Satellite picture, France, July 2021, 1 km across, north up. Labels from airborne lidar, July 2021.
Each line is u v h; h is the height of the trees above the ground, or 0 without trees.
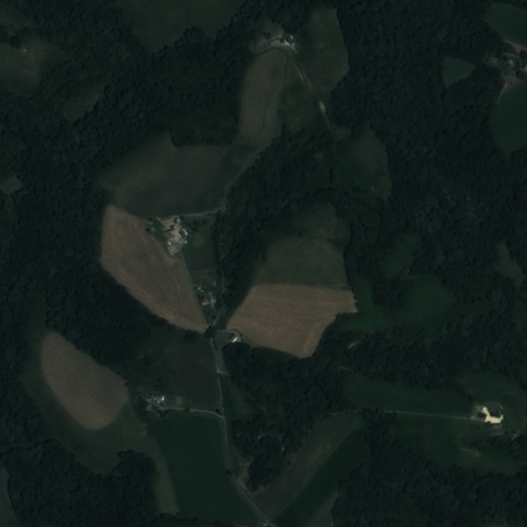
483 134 13
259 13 13
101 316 16
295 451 10
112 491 30
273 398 15
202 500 0
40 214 29
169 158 0
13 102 28
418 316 0
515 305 17
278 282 0
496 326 24
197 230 13
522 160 18
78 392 0
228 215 8
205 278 0
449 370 17
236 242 20
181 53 23
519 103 0
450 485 24
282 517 0
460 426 0
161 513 0
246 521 0
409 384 11
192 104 11
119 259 0
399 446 26
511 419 0
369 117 17
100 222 15
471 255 25
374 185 0
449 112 26
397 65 20
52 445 24
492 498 22
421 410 0
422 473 29
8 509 0
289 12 27
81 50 22
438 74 15
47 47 0
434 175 21
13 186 0
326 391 30
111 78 25
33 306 14
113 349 15
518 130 0
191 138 6
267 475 17
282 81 0
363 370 14
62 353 0
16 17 0
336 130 0
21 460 32
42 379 0
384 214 20
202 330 0
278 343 0
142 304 6
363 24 30
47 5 18
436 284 0
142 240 0
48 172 28
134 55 20
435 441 0
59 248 27
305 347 0
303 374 27
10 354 22
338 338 7
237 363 20
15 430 16
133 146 26
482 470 0
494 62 0
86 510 29
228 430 0
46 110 23
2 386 21
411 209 24
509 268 0
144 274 0
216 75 0
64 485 19
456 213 24
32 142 34
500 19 0
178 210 0
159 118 24
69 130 31
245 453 8
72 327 26
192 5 0
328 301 0
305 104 0
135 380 0
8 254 22
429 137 25
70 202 27
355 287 6
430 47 8
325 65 0
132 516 32
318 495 0
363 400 0
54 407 0
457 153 12
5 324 21
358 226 19
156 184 0
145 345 0
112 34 24
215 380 0
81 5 24
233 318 0
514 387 0
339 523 15
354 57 20
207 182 0
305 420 21
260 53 0
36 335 0
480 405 0
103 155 24
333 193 19
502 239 22
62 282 26
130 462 21
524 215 16
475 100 11
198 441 0
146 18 0
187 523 10
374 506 15
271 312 0
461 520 31
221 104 7
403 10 8
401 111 9
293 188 29
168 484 0
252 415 0
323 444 0
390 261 0
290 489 0
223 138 0
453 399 0
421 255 12
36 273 11
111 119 23
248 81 0
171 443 0
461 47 13
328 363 25
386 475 23
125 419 0
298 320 0
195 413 0
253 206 30
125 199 0
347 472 0
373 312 0
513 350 21
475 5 20
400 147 28
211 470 0
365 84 21
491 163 15
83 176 29
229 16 0
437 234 14
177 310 0
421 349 21
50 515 24
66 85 11
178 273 0
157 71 16
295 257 0
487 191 17
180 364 0
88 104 0
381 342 17
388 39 20
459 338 27
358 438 0
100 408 0
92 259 21
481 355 11
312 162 24
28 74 0
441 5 18
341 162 0
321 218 0
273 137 0
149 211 0
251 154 0
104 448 0
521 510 25
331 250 0
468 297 15
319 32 0
